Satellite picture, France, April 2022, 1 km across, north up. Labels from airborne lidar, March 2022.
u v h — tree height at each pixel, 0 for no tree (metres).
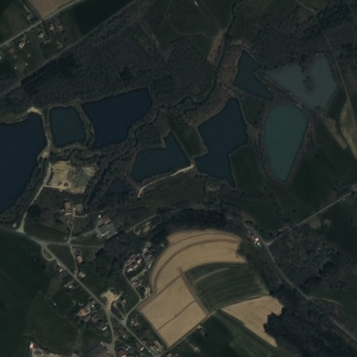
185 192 0
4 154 0
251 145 0
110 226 0
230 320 0
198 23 0
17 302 0
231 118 0
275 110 0
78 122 0
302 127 0
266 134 0
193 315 0
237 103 0
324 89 0
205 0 0
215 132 0
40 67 0
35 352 0
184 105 16
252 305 0
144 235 0
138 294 0
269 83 6
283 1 0
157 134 9
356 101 0
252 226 17
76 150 0
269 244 0
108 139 0
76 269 0
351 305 0
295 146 0
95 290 0
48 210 15
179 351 0
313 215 0
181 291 0
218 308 0
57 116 0
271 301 0
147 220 0
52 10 0
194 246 0
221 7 0
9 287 0
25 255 0
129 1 0
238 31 0
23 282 0
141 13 17
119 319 14
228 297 0
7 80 17
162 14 0
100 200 14
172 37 0
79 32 0
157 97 14
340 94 0
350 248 0
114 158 17
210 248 0
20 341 0
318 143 0
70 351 0
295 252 18
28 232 0
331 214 0
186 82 13
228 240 0
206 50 0
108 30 6
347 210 0
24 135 0
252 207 0
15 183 0
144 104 0
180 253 0
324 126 0
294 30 17
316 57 17
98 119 0
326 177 0
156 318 0
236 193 13
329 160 0
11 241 0
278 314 0
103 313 0
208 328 0
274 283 8
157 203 0
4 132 0
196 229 20
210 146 0
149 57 13
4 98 10
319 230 0
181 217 15
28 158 0
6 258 0
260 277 0
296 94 0
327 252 17
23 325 0
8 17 0
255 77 0
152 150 0
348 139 0
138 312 0
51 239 0
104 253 16
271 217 0
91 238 0
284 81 0
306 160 0
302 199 0
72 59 21
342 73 0
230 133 0
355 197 14
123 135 0
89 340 0
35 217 9
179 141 0
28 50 0
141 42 0
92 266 16
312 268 18
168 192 0
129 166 0
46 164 12
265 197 11
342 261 13
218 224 24
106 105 0
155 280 0
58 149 0
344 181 0
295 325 30
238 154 0
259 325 0
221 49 15
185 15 0
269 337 0
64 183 0
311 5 0
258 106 0
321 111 14
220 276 0
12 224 0
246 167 0
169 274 0
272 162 0
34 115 0
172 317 0
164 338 0
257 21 0
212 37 0
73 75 14
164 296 0
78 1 0
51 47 0
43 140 0
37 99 11
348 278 0
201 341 0
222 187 10
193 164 0
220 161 0
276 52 14
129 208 9
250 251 0
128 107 0
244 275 0
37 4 0
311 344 30
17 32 0
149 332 0
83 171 0
